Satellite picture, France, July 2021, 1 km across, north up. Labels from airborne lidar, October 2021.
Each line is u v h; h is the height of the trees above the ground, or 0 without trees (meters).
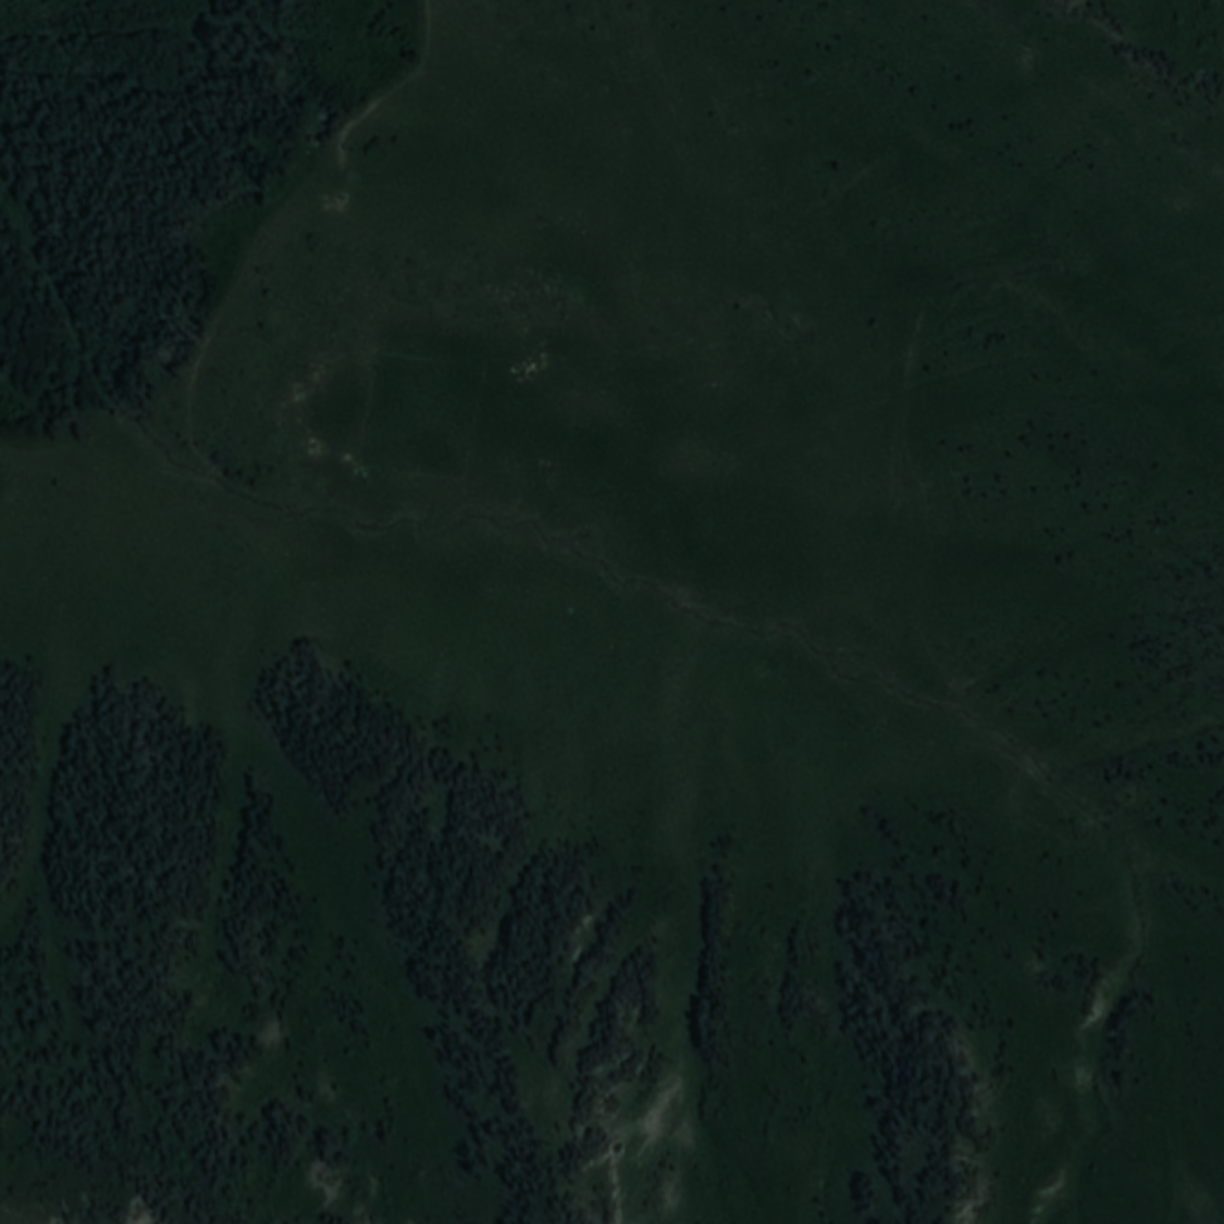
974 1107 11
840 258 0
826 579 0
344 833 0
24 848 10
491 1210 0
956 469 0
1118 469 0
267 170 22
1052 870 0
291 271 0
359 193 0
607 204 0
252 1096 0
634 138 0
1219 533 0
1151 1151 0
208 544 0
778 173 0
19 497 0
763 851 0
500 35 0
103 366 17
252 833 12
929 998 11
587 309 0
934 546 0
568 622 0
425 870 10
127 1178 10
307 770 6
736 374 0
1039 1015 0
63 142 16
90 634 0
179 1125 12
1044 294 0
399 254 0
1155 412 0
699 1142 0
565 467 0
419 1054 0
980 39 0
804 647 0
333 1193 0
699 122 0
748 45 0
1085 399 0
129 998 10
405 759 14
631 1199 0
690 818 0
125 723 10
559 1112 0
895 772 0
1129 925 0
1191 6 0
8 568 0
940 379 0
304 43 7
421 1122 0
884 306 0
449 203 0
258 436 0
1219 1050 0
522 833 15
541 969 9
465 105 0
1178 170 0
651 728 0
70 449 0
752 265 0
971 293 0
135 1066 12
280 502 0
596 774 0
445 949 13
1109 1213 0
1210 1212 0
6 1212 0
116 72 7
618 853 0
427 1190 0
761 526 0
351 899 0
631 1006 6
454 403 0
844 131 0
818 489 0
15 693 15
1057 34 0
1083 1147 0
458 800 15
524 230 0
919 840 0
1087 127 0
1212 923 0
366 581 0
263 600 0
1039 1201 0
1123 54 8
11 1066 12
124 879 17
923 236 0
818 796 0
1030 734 0
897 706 0
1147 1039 0
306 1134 15
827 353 0
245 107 24
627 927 7
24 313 24
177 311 13
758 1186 0
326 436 0
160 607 0
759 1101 0
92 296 27
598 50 0
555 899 10
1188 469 0
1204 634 6
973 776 0
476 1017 9
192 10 14
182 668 0
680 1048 0
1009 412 0
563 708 0
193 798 17
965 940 0
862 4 0
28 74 12
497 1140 12
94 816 13
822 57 0
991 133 0
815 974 0
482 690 0
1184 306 0
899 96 0
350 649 0
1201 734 0
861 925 10
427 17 0
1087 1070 0
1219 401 0
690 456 0
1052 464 0
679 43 0
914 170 0
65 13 9
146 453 0
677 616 0
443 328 0
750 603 0
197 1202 9
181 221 17
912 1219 6
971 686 0
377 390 0
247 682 0
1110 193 0
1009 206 0
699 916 0
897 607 0
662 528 0
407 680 0
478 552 0
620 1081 10
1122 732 0
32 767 14
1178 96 6
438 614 0
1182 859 0
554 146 0
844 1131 0
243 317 0
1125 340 0
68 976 0
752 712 0
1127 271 0
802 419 0
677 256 0
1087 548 0
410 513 0
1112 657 0
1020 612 0
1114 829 0
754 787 0
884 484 0
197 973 0
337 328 0
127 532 0
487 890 14
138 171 18
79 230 24
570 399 0
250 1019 7
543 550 0
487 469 0
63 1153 12
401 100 0
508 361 0
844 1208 0
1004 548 0
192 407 0
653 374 0
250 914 11
